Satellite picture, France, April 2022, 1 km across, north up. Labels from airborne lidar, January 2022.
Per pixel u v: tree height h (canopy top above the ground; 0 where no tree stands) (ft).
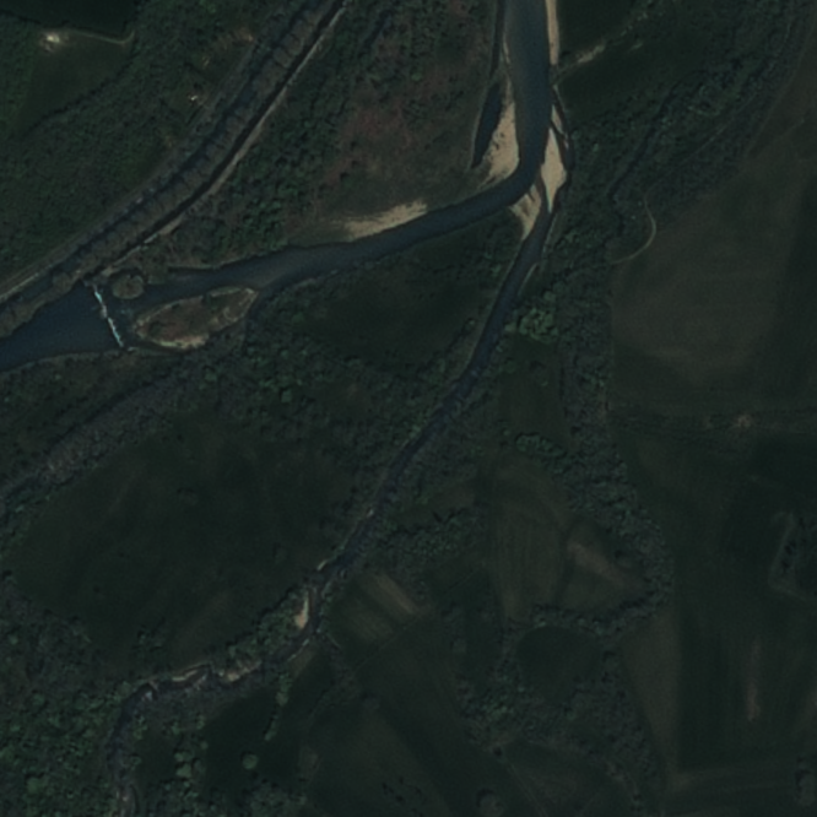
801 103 0
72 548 0
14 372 0
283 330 23
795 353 0
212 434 0
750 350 0
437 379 66
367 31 49
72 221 47
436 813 0
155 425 74
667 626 0
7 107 73
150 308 0
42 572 0
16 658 53
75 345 0
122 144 75
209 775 0
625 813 0
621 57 0
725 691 0
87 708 59
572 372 59
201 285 0
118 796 0
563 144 0
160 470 0
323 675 0
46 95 0
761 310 0
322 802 0
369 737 0
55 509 0
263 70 0
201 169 67
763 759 0
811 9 31
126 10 0
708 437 0
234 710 0
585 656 0
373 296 0
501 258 25
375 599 0
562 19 0
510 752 0
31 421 0
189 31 89
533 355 0
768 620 0
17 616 71
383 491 0
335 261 0
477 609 0
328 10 68
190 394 70
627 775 22
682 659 0
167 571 0
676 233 0
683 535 0
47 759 70
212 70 0
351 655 0
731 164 53
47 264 0
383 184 0
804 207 0
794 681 0
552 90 0
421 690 0
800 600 0
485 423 51
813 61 0
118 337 0
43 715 40
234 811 0
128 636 0
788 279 0
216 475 0
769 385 0
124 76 33
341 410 0
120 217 0
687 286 0
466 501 0
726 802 0
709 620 0
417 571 64
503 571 0
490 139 0
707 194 45
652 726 0
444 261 0
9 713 58
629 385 0
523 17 0
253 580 0
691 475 0
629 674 0
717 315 0
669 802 0
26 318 87
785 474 0
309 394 0
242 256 25
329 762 0
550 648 0
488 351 0
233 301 0
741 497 0
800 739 0
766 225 0
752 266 0
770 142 0
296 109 53
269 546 0
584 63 0
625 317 0
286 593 0
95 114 60
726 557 0
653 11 27
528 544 0
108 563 0
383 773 0
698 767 0
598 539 0
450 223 0
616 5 0
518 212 0
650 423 0
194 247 83
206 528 0
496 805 52
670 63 0
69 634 68
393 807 0
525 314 64
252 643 57
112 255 66
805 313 0
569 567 0
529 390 0
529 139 0
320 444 0
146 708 71
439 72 0
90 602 0
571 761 0
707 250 0
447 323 0
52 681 80
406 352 0
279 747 0
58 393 0
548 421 0
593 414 59
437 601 0
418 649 0
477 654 0
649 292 0
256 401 70
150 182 0
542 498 0
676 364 0
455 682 0
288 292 52
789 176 0
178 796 61
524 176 0
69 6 0
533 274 0
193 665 0
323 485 0
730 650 0
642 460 0
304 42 87
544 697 0
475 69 0
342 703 0
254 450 0
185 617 0
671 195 41
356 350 0
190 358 20
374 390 44
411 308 0
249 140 0
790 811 0
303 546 0
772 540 0
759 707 0
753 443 0
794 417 0
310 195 35
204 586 0
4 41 73
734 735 0
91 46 0
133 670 0
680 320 0
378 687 0
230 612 0
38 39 36
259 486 0
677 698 0
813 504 0
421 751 0
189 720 71
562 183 0
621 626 69
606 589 0
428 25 54
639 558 62
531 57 0
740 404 0
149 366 64
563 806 0
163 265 28
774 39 26
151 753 0
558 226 0
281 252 0
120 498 0
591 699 55
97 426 70
